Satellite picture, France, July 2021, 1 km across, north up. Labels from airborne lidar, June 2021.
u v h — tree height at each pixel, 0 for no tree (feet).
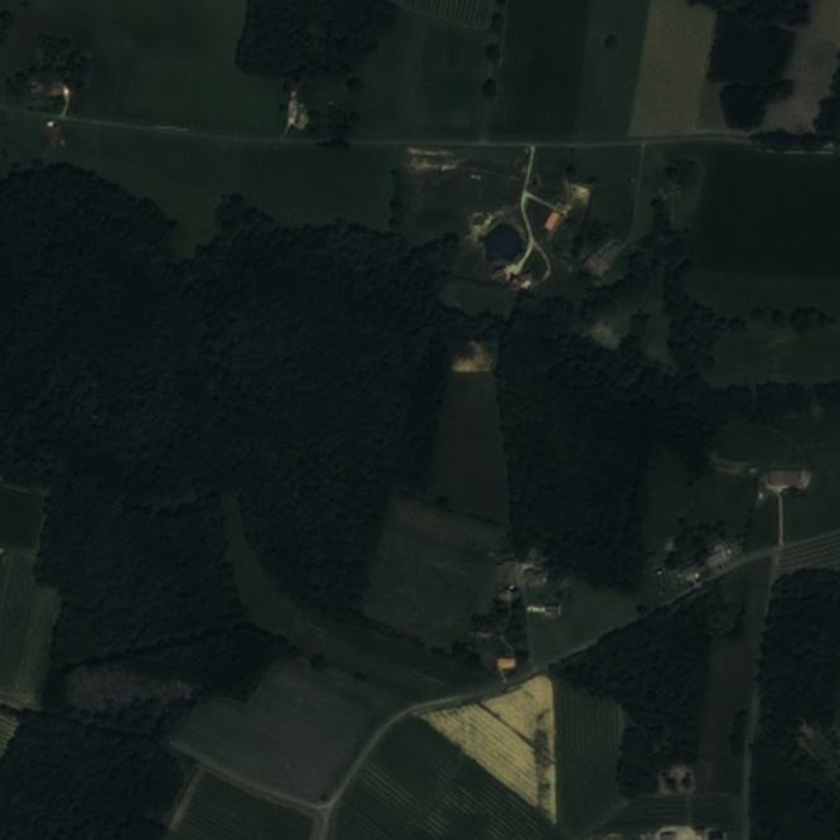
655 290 0
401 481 40
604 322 0
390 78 0
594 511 78
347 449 70
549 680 0
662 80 0
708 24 0
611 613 0
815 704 66
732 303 0
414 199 0
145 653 62
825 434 0
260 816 0
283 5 37
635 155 0
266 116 0
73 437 30
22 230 102
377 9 82
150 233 73
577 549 83
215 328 72
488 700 0
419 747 0
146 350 66
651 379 77
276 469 77
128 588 81
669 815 0
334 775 0
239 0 0
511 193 0
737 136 0
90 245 76
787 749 25
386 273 86
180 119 0
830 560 0
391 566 0
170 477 83
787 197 0
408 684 0
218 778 0
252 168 0
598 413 71
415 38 0
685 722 45
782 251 0
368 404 62
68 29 0
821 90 0
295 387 65
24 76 40
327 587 88
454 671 0
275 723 0
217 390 83
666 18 0
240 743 0
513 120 0
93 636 71
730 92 62
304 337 59
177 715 63
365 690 0
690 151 0
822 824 63
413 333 65
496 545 0
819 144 69
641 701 28
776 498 0
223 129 0
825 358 0
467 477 0
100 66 0
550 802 0
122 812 67
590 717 0
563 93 0
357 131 0
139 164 0
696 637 61
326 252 59
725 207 0
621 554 44
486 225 0
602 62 0
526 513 67
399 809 0
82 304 84
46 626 0
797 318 64
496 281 0
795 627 70
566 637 0
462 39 0
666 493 0
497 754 0
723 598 25
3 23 32
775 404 117
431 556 0
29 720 53
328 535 69
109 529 88
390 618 0
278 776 0
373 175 0
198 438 57
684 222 0
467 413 0
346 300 62
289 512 78
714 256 0
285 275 68
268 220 65
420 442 58
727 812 0
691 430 91
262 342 78
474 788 0
